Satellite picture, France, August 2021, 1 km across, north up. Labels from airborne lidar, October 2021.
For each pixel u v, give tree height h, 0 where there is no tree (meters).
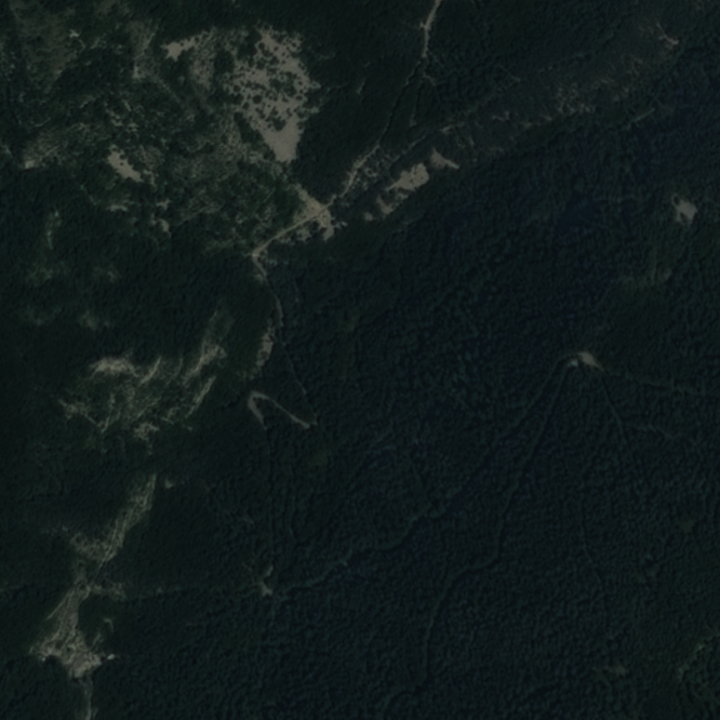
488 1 16
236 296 16
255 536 22
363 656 13
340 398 30
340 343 23
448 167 13
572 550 23
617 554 22
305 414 17
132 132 7
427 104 13
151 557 19
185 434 13
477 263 19
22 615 17
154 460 16
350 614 21
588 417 25
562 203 20
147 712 23
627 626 16
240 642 12
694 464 18
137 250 13
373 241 16
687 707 16
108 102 7
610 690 33
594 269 19
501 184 18
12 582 15
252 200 7
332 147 13
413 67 12
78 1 11
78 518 13
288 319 12
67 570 11
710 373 15
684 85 16
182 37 6
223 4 13
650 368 10
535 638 27
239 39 6
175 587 19
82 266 10
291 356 11
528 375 18
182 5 6
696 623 18
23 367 11
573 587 27
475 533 20
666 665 17
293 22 17
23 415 12
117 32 7
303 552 22
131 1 10
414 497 21
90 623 11
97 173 7
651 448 15
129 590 7
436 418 16
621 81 20
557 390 22
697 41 14
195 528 23
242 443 19
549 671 23
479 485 15
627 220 14
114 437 12
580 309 21
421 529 17
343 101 18
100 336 10
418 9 12
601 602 29
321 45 9
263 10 15
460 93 24
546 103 21
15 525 19
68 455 9
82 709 6
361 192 15
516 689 30
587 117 14
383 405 17
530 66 26
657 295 18
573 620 29
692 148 24
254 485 25
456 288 17
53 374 12
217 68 12
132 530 9
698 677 22
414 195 12
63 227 8
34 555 15
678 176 23
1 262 13
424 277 24
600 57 20
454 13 18
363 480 18
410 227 9
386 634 31
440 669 20
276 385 17
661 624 19
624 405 15
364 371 25
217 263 14
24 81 6
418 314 22
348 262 12
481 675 21
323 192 10
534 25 25
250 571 20
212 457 13
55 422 12
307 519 22
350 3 14
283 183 6
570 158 21
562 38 25
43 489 10
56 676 18
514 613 18
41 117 7
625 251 18
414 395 16
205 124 6
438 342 21
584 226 23
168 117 8
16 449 15
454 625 18
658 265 8
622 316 21
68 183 12
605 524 19
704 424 16
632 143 15
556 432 20
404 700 17
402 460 17
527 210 22
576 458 18
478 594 19
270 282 9
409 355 14
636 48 19
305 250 12
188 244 14
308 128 8
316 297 24
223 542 8
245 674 22
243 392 14
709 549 10
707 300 18
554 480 15
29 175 19
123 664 19
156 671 17
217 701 23
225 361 11
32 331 15
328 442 13
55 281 13
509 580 22
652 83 12
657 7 18
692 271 20
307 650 16
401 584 26
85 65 7
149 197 10
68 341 15
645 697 18
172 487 13
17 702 16
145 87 12
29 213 11
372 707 16
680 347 29
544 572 18
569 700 26
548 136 13
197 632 21
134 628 22
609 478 19
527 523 17
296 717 24
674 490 22
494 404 13
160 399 6
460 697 30
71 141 7
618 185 23
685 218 8
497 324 20
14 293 14
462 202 9
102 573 13
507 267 20
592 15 24
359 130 16
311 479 14
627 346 21
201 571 24
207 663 16
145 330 14
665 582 18
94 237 6
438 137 22
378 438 13
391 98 13
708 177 22
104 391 6
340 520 27
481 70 21
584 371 9
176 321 11
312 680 23
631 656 24
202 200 6
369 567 24
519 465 21
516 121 26
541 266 19
